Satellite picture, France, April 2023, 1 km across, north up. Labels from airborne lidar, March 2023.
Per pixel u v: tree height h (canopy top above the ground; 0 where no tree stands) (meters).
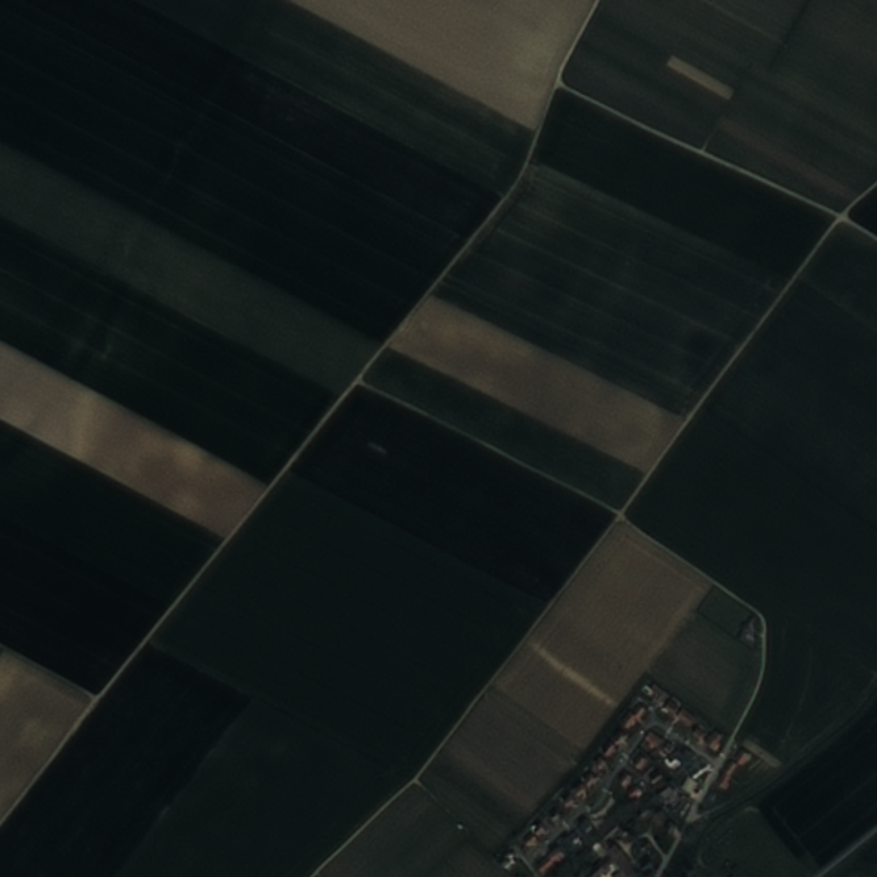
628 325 0
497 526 0
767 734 0
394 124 0
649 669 0
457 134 0
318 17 0
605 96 0
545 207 0
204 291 0
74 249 0
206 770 0
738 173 0
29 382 0
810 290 0
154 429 0
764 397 0
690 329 0
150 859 0
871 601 0
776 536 0
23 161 0
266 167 0
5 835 0
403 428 0
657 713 0
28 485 0
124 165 0
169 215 0
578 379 0
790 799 0
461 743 0
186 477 0
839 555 0
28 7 0
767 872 0
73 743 0
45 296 0
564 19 0
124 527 0
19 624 0
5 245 0
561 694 0
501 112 0
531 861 0
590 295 0
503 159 0
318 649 0
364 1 0
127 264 0
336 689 0
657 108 0
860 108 0
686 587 0
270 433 0
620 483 0
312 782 0
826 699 0
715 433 0
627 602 0
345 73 0
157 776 0
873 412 0
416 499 0
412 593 0
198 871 0
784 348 0
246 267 0
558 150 0
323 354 0
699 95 0
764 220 0
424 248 0
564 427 0
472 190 0
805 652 0
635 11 0
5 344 0
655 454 0
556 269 0
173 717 0
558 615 0
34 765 0
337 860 0
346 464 0
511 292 0
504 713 0
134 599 0
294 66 0
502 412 0
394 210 0
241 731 0
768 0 0
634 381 0
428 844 0
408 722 0
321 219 0
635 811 14
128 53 0
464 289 0
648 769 0
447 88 0
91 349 0
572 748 0
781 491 0
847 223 0
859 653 0
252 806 0
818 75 0
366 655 0
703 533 0
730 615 0
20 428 0
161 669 0
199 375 0
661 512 0
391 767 0
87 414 0
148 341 0
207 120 0
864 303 0
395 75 0
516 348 0
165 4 0
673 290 0
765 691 0
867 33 0
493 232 0
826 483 0
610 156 0
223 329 0
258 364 0
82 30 0
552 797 0
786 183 0
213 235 0
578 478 0
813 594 0
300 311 0
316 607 0
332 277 0
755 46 0
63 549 0
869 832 0
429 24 0
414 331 0
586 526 0
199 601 0
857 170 0
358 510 0
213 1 0
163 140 0
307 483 0
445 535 0
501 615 0
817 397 0
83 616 0
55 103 0
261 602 0
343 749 0
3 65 0
